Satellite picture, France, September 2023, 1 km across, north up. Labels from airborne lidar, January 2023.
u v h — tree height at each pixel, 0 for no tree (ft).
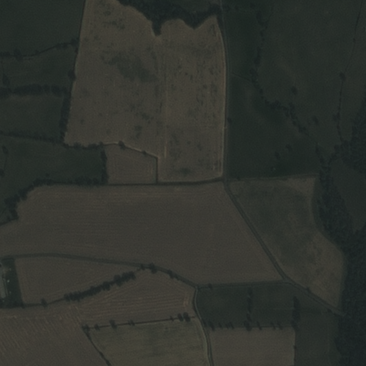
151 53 0
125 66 0
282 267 0
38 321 0
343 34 0
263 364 0
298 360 0
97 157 0
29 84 0
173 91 0
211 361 0
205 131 0
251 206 0
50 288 0
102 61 0
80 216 0
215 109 0
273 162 0
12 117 0
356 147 36
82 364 0
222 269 0
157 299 0
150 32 0
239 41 0
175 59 0
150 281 0
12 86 0
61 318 0
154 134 0
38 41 0
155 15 46
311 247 0
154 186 0
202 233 0
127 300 0
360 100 0
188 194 0
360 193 0
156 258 0
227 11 50
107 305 0
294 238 0
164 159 0
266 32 0
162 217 0
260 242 0
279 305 0
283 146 0
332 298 0
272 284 0
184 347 0
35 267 0
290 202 0
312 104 0
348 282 51
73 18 0
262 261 0
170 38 0
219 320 0
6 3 0
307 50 0
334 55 0
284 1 0
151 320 0
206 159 0
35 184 35
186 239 0
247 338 0
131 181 0
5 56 38
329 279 0
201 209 0
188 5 0
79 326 0
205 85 0
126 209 0
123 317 0
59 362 0
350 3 0
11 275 0
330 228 49
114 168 0
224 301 0
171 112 0
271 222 0
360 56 0
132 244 0
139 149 0
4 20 0
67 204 0
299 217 0
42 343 0
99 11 0
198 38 0
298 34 0
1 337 0
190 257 0
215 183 0
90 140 0
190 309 0
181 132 0
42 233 0
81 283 0
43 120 0
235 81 0
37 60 0
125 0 59
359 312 73
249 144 0
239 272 0
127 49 0
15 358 0
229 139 0
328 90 0
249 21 0
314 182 0
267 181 0
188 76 0
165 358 0
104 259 0
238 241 0
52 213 0
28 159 0
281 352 0
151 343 0
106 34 0
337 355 0
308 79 0
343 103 0
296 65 0
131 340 0
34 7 0
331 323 0
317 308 0
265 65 0
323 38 0
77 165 0
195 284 0
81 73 0
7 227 0
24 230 0
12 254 0
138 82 0
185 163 0
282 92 0
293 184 0
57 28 0
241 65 0
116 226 0
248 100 0
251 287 0
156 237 0
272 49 0
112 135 0
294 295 0
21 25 0
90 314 0
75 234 0
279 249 0
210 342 0
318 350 0
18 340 0
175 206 0
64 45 35
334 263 0
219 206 0
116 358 0
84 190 0
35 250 0
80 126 0
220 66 0
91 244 0
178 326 0
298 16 0
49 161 0
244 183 0
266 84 0
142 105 0
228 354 0
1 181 0
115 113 0
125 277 47
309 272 0
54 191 0
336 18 0
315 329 0
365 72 0
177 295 0
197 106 0
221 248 0
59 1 0
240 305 0
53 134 0
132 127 0
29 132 0
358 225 0
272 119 0
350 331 54
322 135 0
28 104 0
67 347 0
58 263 0
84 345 0
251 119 0
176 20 0
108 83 0
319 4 0
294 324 53
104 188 0
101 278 0
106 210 0
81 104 0
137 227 0
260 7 0
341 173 0
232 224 0
